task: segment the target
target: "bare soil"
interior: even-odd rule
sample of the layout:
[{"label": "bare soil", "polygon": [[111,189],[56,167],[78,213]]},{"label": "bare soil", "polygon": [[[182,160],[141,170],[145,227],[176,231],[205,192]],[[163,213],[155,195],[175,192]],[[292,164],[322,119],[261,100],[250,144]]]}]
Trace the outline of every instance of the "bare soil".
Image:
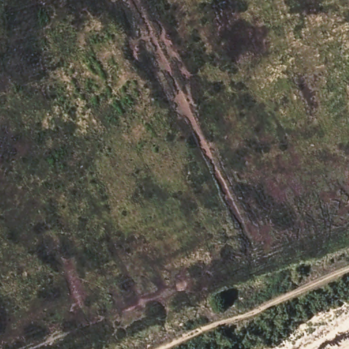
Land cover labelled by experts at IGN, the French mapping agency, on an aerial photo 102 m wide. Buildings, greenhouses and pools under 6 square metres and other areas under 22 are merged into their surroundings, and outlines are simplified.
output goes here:
[{"label": "bare soil", "polygon": [[281,345],[266,349],[349,349],[349,301],[341,307],[319,312],[311,319],[305,320]]}]

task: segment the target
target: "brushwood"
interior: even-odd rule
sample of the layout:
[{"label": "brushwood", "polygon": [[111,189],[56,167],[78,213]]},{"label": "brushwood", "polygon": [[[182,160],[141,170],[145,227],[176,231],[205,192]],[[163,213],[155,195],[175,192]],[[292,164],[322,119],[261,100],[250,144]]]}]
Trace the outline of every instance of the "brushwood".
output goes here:
[{"label": "brushwood", "polygon": [[228,290],[226,286],[219,286],[209,294],[207,300],[213,311],[225,312],[239,297],[237,289]]},{"label": "brushwood", "polygon": [[233,324],[221,324],[213,330],[204,331],[170,349],[266,349],[281,345],[305,320],[311,319],[319,312],[341,307],[349,301],[349,273],[327,282],[320,288],[264,309],[251,318],[240,319]]}]

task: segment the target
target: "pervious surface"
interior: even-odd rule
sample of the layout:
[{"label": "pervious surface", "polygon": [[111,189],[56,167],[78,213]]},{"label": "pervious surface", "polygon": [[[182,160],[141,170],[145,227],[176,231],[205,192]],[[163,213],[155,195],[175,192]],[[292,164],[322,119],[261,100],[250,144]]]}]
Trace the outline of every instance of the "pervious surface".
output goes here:
[{"label": "pervious surface", "polygon": [[331,271],[314,281],[305,282],[300,288],[274,297],[244,314],[196,327],[154,349],[170,349],[204,331],[213,330],[221,324],[233,324],[240,319],[251,318],[264,309],[320,288],[327,282],[349,273],[349,266]]},{"label": "pervious surface", "polygon": [[213,162],[215,173],[224,185],[226,198],[232,203],[236,214],[239,214],[243,211],[239,206],[241,198],[233,195],[228,181],[219,169],[218,160],[221,160],[221,154],[218,147],[204,138],[198,119],[189,108],[194,104],[192,95],[185,95],[181,91],[176,95],[176,102],[179,104],[177,112],[184,113],[191,121],[200,145]]},{"label": "pervious surface", "polygon": [[40,349],[42,346],[53,345],[55,341],[65,337],[63,331],[53,331],[44,341],[33,341],[19,349]]}]

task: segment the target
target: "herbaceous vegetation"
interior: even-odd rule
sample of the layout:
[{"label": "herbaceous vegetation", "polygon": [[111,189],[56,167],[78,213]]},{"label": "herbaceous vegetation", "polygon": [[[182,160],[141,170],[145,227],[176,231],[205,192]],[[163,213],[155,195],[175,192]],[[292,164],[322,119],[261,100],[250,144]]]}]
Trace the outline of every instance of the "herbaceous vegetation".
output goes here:
[{"label": "herbaceous vegetation", "polygon": [[[177,112],[179,104],[176,102],[176,95],[181,91],[185,95],[192,95],[194,104],[189,108],[198,119],[204,138],[218,147],[221,154],[221,160],[218,160],[219,169],[228,181],[233,195],[241,198],[239,206],[243,211],[239,214],[236,214],[232,203],[226,198],[224,185],[215,173],[213,162],[200,145],[191,121],[184,113]],[[19,349],[33,341],[44,341],[53,331],[63,331],[65,337],[55,341],[53,345],[42,346],[40,349],[154,349],[196,327],[244,314],[274,297],[300,288],[305,282],[314,281],[331,271],[349,266],[349,0],[0,0],[0,349]],[[226,286],[228,290],[237,289],[239,297],[225,312],[213,311],[207,300],[209,294],[219,286]]]}]

